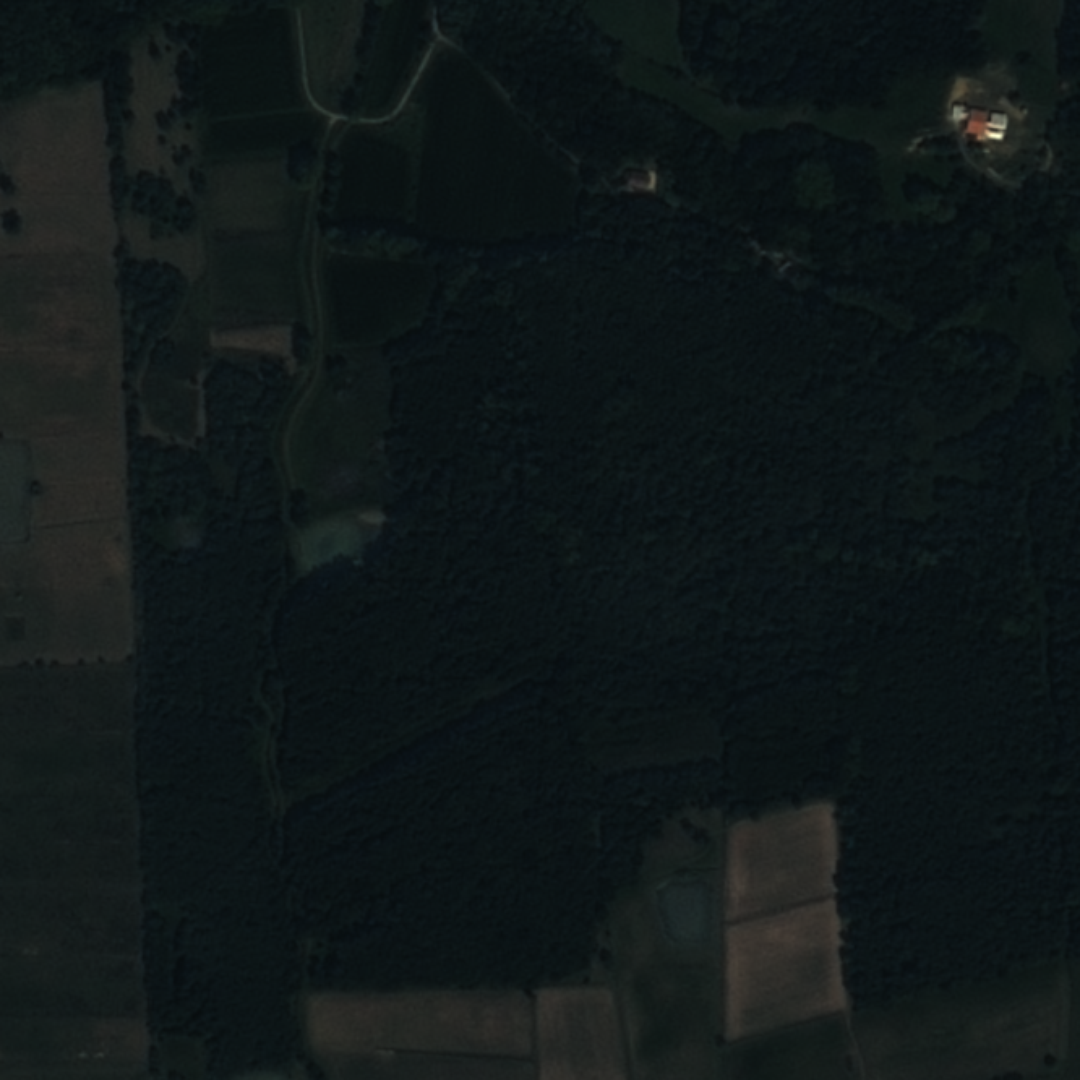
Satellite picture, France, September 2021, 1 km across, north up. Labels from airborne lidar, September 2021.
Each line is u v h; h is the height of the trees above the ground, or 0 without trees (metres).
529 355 21
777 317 20
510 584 18
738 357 19
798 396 10
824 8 24
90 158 0
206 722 11
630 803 14
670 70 6
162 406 0
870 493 11
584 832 16
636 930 0
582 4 9
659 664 12
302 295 0
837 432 16
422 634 18
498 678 6
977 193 10
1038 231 23
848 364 26
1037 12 0
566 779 18
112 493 0
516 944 18
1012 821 11
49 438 0
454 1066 0
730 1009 0
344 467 0
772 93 18
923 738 17
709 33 12
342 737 14
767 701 21
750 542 10
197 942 11
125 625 0
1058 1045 0
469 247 12
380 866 22
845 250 19
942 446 7
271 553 13
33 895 0
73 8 28
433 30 11
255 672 14
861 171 17
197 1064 0
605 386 23
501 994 0
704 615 9
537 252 23
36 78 16
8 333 0
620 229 15
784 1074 0
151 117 0
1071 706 16
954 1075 0
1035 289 0
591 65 23
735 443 18
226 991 13
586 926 16
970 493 11
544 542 19
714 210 18
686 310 20
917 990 19
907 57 27
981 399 11
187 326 0
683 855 0
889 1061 0
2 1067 0
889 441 9
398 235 23
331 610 22
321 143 0
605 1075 0
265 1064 10
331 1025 0
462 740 18
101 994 0
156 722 11
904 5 31
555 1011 0
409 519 18
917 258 22
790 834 0
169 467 8
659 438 15
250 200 0
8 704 0
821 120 0
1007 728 20
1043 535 13
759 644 8
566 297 23
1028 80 0
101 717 0
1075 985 0
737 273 20
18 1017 0
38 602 0
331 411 0
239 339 0
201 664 8
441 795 21
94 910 0
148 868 9
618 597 9
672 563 9
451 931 18
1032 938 21
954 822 12
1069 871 11
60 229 0
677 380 22
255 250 0
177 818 12
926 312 17
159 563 9
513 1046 0
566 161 11
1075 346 0
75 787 0
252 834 11
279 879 13
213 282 0
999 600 23
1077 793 13
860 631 19
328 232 20
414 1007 0
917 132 0
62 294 0
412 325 0
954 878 18
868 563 15
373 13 15
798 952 0
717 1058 0
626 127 15
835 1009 0
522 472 22
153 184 10
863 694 19
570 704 16
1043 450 19
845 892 11
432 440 15
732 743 10
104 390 0
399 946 17
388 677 12
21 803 0
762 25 10
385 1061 0
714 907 0
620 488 10
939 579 19
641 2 0
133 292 10
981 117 0
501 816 22
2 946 0
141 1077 0
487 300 14
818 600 9
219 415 11
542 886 18
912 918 21
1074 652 18
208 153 0
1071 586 11
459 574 17
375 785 17
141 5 27
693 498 11
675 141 12
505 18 16
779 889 0
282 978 10
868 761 20
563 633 16
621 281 24
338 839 15
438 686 14
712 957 0
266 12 8
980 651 16
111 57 6
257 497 10
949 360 21
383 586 17
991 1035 0
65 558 0
